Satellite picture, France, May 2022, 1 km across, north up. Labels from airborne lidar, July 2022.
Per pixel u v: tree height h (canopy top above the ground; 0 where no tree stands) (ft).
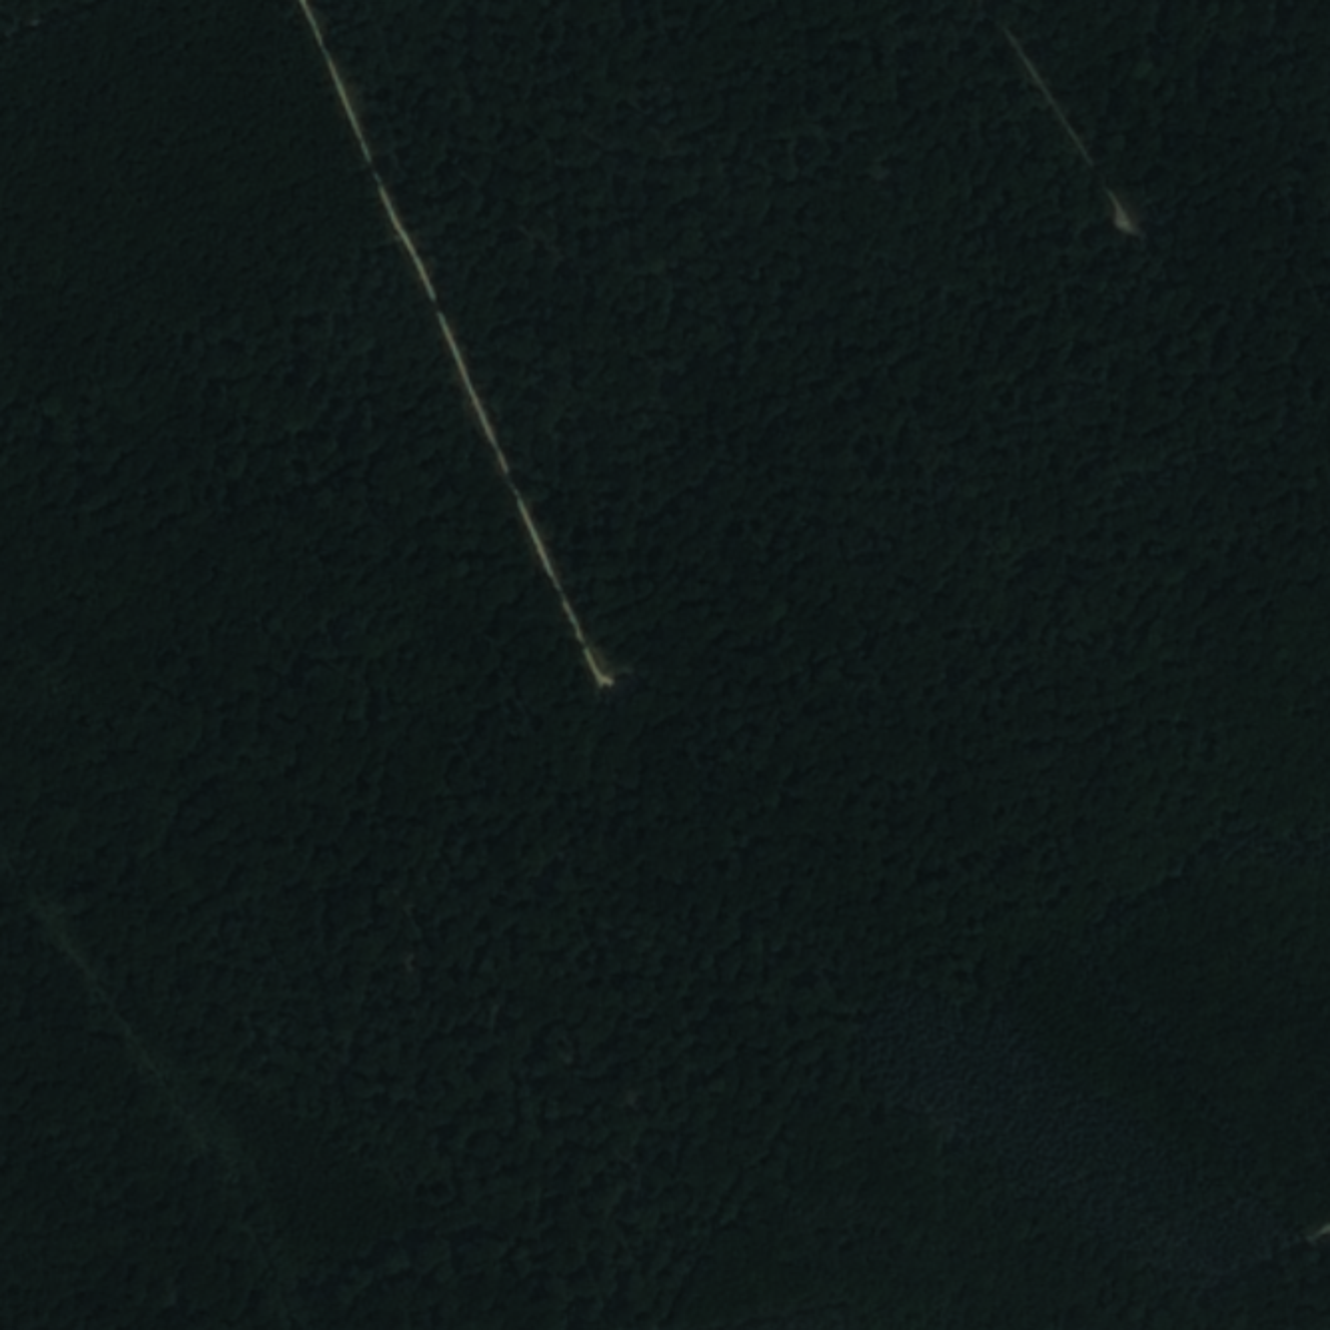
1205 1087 71
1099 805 79
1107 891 75
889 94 25
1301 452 92
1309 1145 84
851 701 93
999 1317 81
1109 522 79
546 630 89
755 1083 82
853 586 83
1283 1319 81
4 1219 75
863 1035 78
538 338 88
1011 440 75
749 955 90
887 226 66
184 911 64
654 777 79
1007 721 82
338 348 79
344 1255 31
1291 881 74
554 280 78
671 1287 70
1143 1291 76
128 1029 61
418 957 96
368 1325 93
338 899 91
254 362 89
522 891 85
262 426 75
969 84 37
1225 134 70
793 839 79
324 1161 31
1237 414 74
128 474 86
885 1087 59
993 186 70
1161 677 71
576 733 90
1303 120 83
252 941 75
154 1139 69
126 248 57
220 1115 35
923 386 78
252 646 90
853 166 66
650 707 80
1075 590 85
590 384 71
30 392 58
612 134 84
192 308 63
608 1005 82
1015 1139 81
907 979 56
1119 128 73
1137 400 81
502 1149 92
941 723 96
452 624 86
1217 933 95
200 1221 78
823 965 84
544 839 79
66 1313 79
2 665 78
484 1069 95
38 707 84
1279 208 86
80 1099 70
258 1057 70
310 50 54
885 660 84
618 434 72
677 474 81
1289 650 58
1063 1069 79
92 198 75
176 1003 69
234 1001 77
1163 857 72
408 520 103
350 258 49
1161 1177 71
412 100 52
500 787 94
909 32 84
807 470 60
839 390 30
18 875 55
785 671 66
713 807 86
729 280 75
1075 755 79
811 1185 83
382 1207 29
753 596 83
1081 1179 59
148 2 62
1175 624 78
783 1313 40
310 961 73
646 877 84
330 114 59
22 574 97
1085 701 82
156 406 78
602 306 85
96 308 69
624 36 92
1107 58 60
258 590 80
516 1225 96
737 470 72
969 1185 67
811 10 79
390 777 78
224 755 81
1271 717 72
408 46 78
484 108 85
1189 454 65
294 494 81
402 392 84
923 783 90
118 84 70
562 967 87
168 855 86
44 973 68
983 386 80
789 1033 94
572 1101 88
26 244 73
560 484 83
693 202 24
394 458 101
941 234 80
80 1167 56
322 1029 81
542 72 78
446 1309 98
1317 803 69
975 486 75
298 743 92
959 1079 77
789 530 60
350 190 55
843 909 79
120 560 100
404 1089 93
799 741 83
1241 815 69
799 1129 79
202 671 76
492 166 60
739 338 82
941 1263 83
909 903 76
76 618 84
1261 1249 60
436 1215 33
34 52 58
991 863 78
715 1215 40
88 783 72
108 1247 77
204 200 51
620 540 102
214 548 74
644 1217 97
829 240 56
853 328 87
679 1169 66
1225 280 86
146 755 82
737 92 72
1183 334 63
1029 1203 75
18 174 73
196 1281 82
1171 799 68
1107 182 30
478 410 0
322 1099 73
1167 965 82
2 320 70
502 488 94
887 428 82
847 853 88
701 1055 88
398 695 59
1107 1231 73
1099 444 74
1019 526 89
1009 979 51
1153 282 36
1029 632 90
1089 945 64
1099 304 89
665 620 85
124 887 48
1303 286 74
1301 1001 84
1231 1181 82
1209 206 70
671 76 93
